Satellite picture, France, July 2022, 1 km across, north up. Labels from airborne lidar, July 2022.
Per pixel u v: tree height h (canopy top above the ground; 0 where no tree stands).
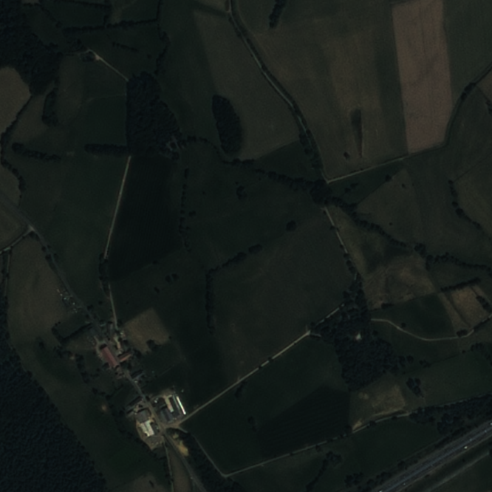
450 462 0
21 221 0
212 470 14
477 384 0
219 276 0
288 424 0
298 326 0
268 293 0
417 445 0
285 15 0
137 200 0
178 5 0
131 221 0
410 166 0
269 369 0
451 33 0
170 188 0
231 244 0
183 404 0
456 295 0
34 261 0
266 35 0
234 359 0
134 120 27
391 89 0
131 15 0
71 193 0
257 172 11
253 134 0
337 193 0
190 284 0
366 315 16
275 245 0
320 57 0
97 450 0
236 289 0
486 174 0
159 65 12
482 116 0
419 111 0
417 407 0
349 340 12
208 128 0
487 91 0
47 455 17
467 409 17
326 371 0
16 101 0
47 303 0
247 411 0
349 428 14
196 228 0
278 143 0
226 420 0
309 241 0
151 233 0
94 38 0
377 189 0
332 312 0
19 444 23
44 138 0
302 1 0
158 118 26
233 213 0
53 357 0
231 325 0
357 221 14
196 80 0
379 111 0
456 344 0
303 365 0
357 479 14
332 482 0
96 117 0
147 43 0
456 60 0
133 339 0
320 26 0
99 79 0
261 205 0
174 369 0
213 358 0
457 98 0
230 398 0
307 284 0
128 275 0
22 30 31
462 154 0
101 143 0
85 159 0
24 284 0
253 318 0
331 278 0
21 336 0
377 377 13
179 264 0
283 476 0
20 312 0
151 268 0
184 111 0
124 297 0
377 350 16
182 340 0
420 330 0
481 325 9
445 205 0
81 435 0
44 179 0
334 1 0
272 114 0
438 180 0
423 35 0
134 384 0
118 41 0
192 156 0
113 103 0
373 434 0
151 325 0
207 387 0
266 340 0
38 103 0
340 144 0
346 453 0
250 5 0
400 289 0
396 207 0
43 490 21
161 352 0
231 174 0
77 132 0
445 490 0
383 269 0
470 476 0
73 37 12
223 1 0
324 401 0
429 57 0
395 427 0
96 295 0
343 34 0
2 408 15
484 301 11
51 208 0
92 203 0
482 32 0
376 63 0
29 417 22
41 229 0
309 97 0
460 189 0
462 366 0
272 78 7
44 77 26
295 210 0
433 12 0
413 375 0
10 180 0
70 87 0
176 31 0
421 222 0
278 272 0
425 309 0
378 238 0
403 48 0
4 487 21
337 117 0
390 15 0
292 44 0
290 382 0
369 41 0
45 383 0
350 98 0
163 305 0
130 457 0
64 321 0
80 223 0
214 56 0
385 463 0
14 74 0
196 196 0
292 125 0
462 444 0
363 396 0
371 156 0
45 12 13
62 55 12
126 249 0
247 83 0
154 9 0
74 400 0
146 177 0
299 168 0
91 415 0
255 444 0
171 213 0
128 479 0
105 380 0
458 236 0
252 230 0
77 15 0
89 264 0
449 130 0
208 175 0
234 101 0
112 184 0
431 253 0
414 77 0
